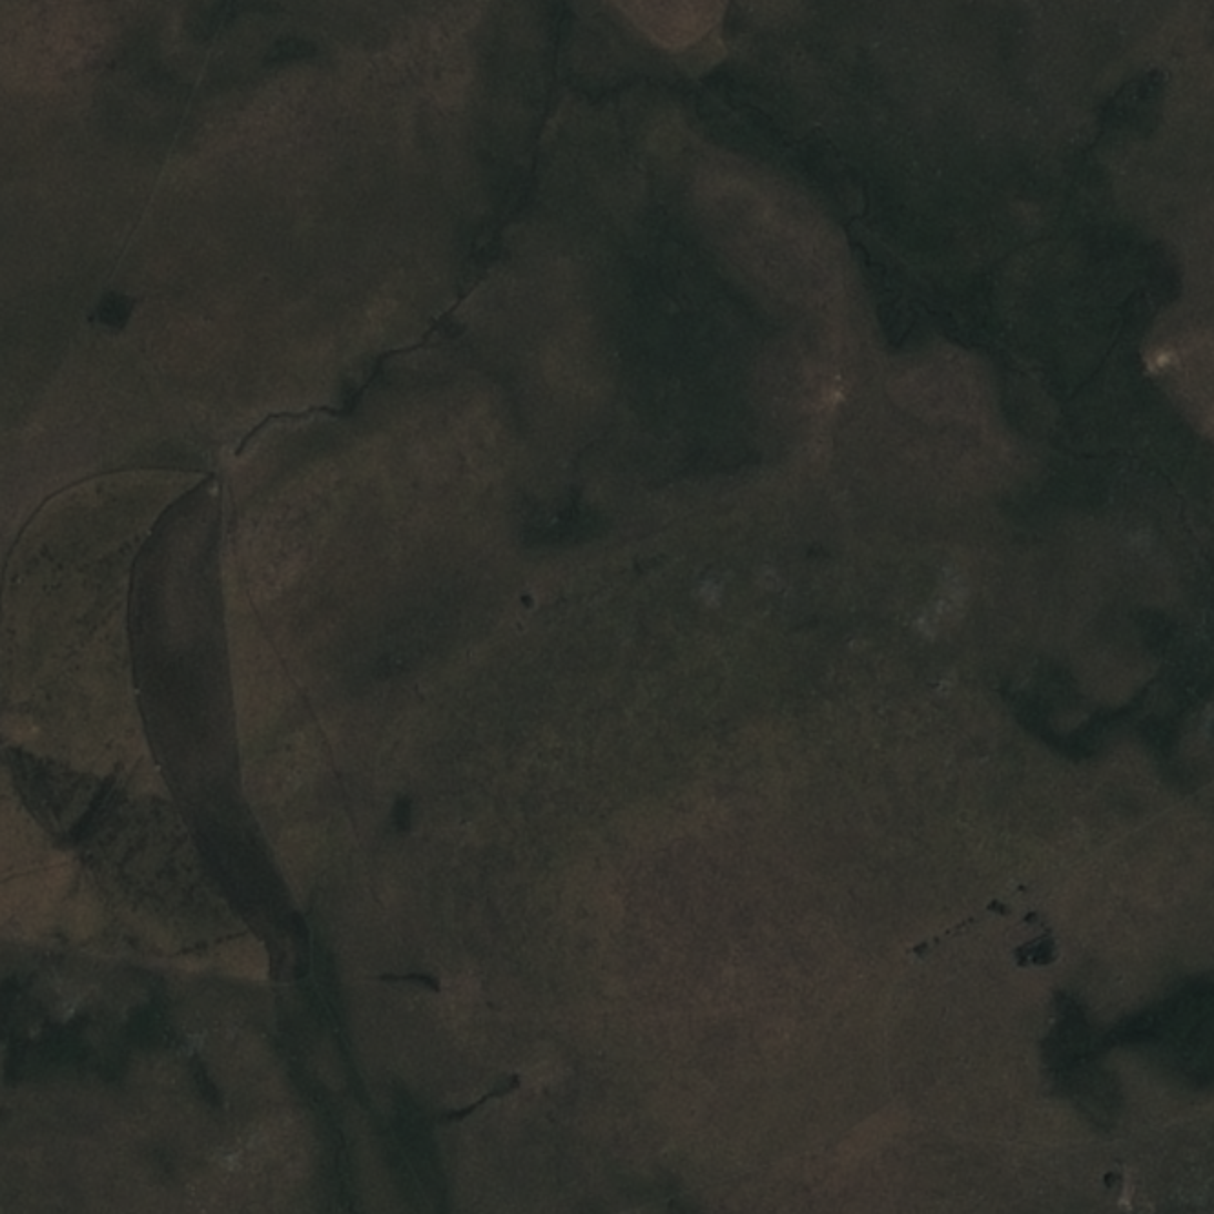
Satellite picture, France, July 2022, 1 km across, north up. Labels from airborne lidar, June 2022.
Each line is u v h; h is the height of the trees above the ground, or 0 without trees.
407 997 0
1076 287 0
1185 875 0
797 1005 0
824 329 0
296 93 0
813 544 0
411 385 0
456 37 0
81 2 0
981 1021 0
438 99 0
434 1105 0
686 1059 0
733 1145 0
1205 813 0
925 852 0
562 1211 0
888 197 0
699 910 0
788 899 0
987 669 0
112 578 0
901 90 0
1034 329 0
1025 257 0
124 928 0
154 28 0
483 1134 0
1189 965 0
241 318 0
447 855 0
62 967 0
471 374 0
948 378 0
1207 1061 0
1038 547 0
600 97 0
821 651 0
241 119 0
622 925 0
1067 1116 0
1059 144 0
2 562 0
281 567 0
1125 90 0
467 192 0
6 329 0
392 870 0
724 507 0
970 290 0
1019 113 0
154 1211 0
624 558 0
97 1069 0
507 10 0
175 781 0
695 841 0
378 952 0
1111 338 0
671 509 0
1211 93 0
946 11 0
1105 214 0
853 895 0
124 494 0
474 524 0
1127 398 0
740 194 0
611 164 0
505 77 0
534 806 0
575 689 0
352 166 0
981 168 0
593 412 0
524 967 0
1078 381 0
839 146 0
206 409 0
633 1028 0
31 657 0
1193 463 0
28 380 0
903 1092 0
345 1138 0
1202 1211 0
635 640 0
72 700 0
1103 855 0
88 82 0
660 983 0
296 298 0
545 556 0
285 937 0
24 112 0
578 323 0
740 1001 0
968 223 0
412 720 0
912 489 0
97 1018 0
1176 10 0
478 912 0
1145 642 0
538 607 0
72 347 0
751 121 0
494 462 0
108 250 0
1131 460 0
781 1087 0
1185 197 0
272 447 0
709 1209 0
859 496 0
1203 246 0
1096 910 0
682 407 0
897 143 0
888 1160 0
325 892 0
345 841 0
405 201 0
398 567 0
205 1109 0
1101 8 0
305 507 0
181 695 0
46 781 0
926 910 0
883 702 0
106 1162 0
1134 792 0
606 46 0
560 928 0
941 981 0
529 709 0
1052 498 0
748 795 0
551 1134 0
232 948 0
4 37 0
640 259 0
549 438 0
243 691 0
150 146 0
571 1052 0
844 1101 0
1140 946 0
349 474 0
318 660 0
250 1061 0
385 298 0
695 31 0
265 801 0
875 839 0
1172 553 0
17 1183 0
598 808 0
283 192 0
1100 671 0
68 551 0
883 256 0
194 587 0
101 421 0
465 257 0
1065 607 0
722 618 0
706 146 0
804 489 0
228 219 0
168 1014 0
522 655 0
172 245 0
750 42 0
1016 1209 0
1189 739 0
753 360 0
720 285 0
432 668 0
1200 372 0
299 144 0
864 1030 0
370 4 0
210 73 0
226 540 0
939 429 0
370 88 0
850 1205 0
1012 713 0
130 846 0
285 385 0
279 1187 0
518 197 0
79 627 0
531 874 0
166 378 0
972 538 0
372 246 0
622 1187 0
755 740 0
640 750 0
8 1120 0
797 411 0
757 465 0
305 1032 0
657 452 0
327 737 0
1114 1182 6
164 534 0
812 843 0
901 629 0
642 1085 0
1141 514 0
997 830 0
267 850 0
